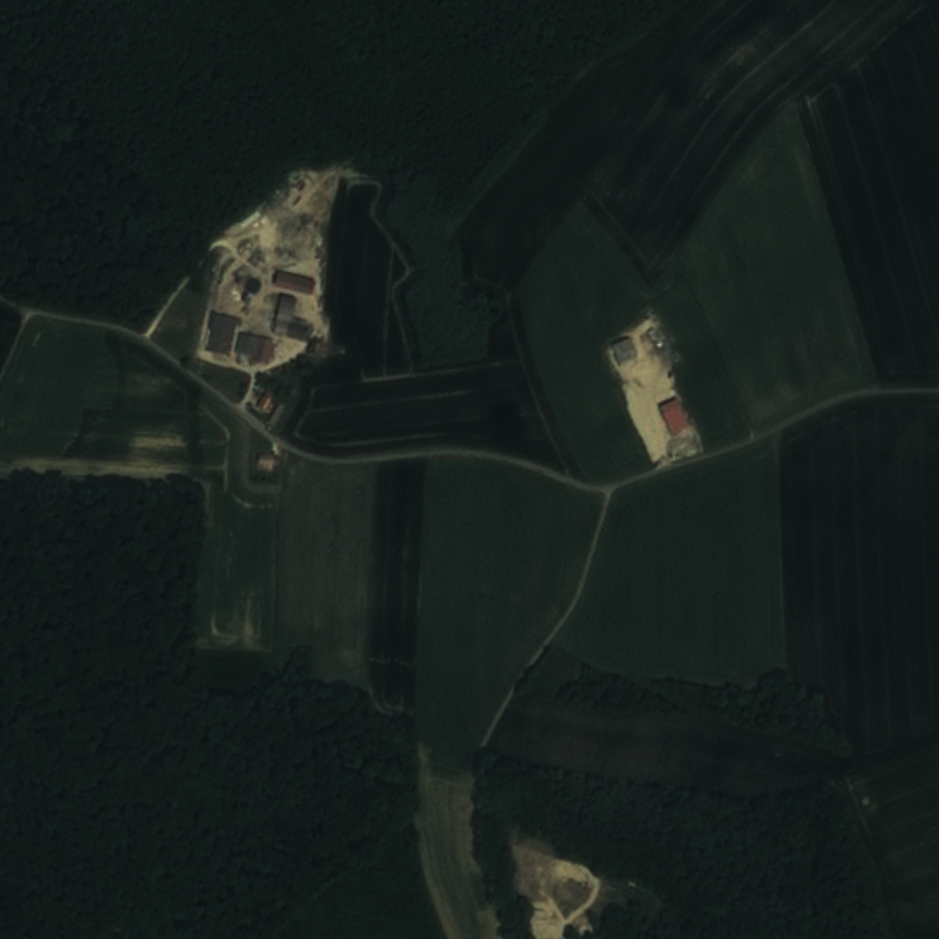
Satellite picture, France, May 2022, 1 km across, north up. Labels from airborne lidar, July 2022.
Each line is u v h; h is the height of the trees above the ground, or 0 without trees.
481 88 13
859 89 0
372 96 11
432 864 0
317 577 0
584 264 0
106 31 23
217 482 0
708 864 18
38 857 28
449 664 0
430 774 0
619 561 0
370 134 12
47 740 26
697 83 0
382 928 6
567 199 0
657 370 0
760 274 0
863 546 0
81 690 31
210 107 23
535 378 0
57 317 0
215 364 0
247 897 30
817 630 0
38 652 34
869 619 0
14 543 34
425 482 0
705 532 0
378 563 0
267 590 0
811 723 15
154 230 28
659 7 20
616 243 0
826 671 0
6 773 27
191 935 26
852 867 18
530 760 0
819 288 0
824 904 21
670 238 0
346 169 0
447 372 0
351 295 0
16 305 21
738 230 0
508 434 0
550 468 0
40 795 28
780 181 0
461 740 0
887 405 0
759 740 0
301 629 0
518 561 0
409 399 0
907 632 0
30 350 0
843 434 0
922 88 0
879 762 0
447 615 0
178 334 0
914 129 0
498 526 0
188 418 0
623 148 0
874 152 0
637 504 0
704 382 0
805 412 0
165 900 30
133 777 31
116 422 0
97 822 29
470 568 0
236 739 31
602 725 0
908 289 0
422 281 22
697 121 0
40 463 0
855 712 0
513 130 14
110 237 25
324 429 0
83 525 30
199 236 27
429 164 17
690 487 0
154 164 24
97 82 22
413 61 12
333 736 24
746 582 0
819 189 0
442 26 13
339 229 0
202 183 22
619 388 0
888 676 0
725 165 0
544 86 16
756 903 22
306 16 10
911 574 0
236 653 0
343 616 0
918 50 0
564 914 0
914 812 0
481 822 19
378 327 0
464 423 0
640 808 12
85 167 32
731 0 0
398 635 0
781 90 0
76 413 0
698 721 0
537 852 0
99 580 34
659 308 0
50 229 27
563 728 0
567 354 0
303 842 29
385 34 14
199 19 19
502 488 0
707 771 0
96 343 0
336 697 25
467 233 0
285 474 0
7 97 31
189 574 23
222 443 0
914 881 0
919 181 0
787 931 24
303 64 12
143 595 28
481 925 0
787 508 0
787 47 0
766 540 0
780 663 0
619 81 0
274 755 30
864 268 0
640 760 0
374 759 22
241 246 0
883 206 0
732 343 0
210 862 27
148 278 28
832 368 0
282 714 30
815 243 0
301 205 0
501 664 0
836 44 0
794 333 0
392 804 27
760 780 0
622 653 0
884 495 0
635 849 17
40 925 30
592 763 0
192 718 30
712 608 0
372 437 0
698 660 0
